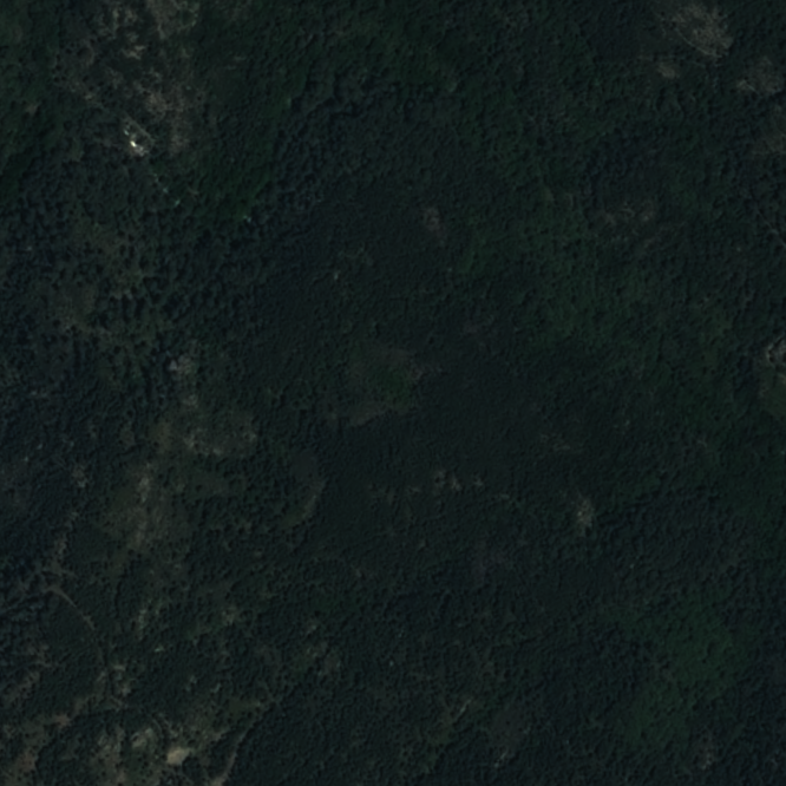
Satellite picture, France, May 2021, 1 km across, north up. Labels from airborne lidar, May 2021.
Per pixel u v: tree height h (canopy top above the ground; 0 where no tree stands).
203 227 17
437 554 21
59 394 9
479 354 18
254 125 17
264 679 12
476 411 16
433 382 16
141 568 18
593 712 17
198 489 13
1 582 24
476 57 9
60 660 10
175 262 34
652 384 9
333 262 10
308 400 12
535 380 16
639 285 11
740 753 14
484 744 14
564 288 15
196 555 17
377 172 34
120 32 6
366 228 13
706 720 15
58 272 22
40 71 19
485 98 19
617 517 13
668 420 15
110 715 16
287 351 16
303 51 17
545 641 22
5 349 11
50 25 19
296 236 14
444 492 14
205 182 11
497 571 18
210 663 12
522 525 15
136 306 27
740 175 15
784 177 23
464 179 25
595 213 24
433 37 12
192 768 16
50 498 12
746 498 18
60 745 13
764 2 13
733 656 17
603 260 12
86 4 12
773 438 17
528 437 13
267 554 15
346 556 19
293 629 13
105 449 16
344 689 13
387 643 10
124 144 31
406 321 15
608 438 16
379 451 12
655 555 23
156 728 10
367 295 18
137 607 16
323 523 17
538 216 17
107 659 16
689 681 16
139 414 14
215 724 9
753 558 12
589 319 16
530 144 22
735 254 7
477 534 19
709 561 26
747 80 13
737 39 11
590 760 16
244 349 17
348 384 12
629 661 26
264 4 5
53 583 17
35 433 11
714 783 18
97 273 12
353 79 29
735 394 13
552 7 16
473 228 12
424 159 38
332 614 12
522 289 17
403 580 20
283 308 13
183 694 10
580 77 13
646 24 8
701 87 21
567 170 21
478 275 10
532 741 11
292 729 13
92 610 15
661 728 19
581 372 14
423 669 13
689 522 25
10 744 14
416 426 13
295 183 23
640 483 20
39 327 21
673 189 13
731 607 20
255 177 15
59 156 28
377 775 11
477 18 14
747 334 12
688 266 14
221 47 10
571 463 10
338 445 17
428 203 15
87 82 12
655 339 16
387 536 17
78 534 16
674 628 15
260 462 7
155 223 39
